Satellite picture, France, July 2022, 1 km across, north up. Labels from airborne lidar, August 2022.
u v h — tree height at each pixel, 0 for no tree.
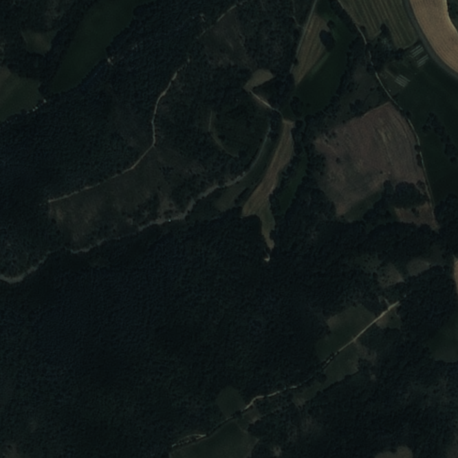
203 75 11
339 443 16
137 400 7
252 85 0
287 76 6
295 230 13
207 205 6
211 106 18
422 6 0
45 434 10
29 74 19
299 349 19
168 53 10
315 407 12
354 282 9
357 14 0
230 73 12
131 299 20
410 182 0
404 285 11
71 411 17
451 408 10
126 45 17
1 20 15
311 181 15
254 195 0
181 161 0
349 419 22
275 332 22
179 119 17
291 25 20
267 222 0
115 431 7
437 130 15
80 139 6
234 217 14
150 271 17
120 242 16
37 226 19
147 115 11
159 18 12
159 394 10
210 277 14
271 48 10
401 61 17
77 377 14
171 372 12
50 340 17
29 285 19
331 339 0
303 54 0
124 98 9
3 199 14
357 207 0
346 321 0
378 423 14
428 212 0
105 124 15
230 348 10
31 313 18
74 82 0
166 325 18
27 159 19
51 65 22
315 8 0
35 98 0
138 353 8
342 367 0
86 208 0
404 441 12
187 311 16
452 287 15
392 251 14
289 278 18
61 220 0
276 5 7
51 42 0
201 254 10
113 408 7
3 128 19
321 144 0
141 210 6
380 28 0
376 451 13
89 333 19
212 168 7
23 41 18
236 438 0
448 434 13
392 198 33
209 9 10
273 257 18
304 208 18
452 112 0
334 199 0
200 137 16
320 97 0
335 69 0
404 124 0
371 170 0
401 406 7
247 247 15
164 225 12
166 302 16
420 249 14
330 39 35
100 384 8
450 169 0
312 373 15
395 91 0
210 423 12
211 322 14
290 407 7
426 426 10
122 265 13
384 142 0
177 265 17
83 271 23
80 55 0
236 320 18
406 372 18
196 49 7
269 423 11
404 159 0
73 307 22
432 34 0
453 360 0
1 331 17
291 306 13
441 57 0
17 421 12
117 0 0
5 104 0
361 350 0
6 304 26
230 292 9
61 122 14
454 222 25
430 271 12
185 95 7
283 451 11
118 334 14
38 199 8
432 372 16
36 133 23
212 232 14
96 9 0
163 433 7
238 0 15
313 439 9
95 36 0
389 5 0
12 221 13
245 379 10
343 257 27
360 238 25
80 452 9
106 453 11
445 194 0
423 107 0
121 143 10
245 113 7
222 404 0
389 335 7
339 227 12
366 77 0
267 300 22
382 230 22
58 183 9
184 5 8
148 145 0
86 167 9
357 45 10
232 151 0
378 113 0
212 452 0
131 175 0
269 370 9
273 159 0
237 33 0
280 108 10
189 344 11
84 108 16
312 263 30
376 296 10
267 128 0
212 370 16
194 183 9
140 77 11
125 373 13
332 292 13
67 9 6
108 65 30
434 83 0
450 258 18
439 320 26
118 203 0
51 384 7
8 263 13
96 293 21
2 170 14
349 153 0
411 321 9
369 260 6
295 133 21
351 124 0
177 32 15
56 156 14
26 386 18
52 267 17
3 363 8
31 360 22
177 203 8
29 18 22
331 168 0
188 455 0
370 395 13
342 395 13
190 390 15
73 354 17
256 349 10
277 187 0
